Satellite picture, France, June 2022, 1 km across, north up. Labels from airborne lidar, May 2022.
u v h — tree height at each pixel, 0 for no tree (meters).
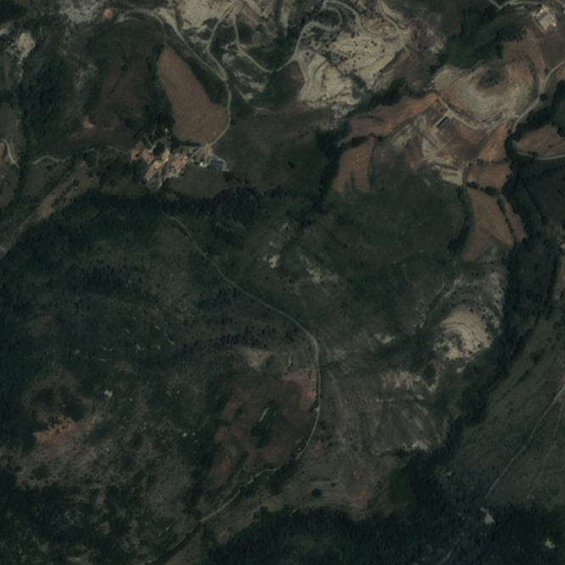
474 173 0
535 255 0
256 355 0
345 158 0
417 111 0
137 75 0
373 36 0
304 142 0
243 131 0
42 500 9
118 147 0
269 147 0
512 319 11
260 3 0
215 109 0
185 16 0
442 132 0
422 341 8
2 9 11
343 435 0
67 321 8
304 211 11
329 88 0
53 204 6
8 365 6
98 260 8
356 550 11
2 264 12
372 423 0
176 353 6
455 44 0
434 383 0
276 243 0
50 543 6
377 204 0
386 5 0
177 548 10
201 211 12
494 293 0
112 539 9
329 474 0
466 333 0
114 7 0
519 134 14
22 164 12
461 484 7
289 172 0
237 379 0
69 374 0
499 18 0
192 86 0
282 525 16
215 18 0
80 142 0
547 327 0
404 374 0
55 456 0
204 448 6
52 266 14
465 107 0
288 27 7
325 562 6
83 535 9
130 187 0
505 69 0
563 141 0
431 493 11
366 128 0
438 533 6
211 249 13
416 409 0
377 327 0
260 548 6
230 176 17
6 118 0
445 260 7
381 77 0
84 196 6
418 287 0
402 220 0
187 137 0
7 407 7
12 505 12
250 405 0
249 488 9
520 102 0
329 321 0
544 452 0
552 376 0
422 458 12
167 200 12
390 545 9
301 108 0
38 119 7
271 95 0
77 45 0
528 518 12
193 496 9
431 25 0
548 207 0
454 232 0
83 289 6
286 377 0
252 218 10
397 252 0
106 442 0
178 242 0
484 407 13
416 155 0
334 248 0
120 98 0
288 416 0
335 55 0
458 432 14
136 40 0
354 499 0
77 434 0
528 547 10
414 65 0
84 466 0
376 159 0
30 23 13
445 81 0
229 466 0
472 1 0
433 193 0
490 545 8
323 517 10
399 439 0
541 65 0
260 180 0
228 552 15
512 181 15
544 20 0
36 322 0
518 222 0
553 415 0
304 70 0
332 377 0
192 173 0
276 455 0
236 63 0
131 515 7
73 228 9
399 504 0
